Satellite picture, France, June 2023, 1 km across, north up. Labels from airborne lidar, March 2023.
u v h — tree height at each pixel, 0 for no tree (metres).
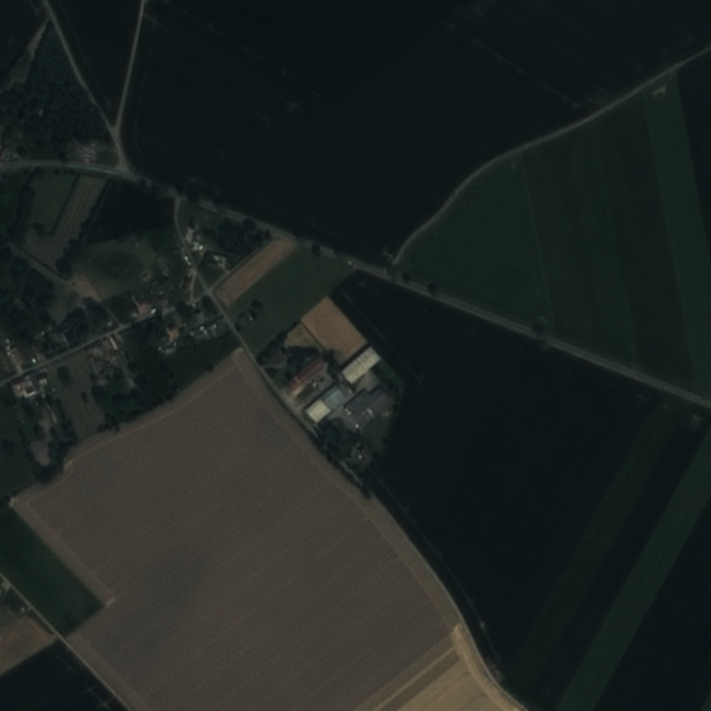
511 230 0
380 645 0
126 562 0
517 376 0
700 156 0
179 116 0
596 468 0
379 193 0
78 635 0
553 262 0
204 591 0
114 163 0
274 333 0
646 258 0
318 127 0
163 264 0
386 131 0
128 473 0
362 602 0
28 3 0
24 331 16
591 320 0
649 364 0
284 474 0
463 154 0
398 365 0
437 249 0
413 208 0
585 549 0
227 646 0
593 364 0
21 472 0
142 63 0
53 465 13
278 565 0
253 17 0
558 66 0
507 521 0
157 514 0
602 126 0
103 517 0
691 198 0
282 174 0
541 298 0
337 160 0
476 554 0
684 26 0
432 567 0
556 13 0
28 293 18
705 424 0
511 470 0
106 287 0
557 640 0
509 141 0
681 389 0
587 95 0
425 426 0
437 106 0
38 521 0
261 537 0
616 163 0
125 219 0
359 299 0
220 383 0
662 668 0
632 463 0
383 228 0
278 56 0
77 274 0
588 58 0
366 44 0
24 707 0
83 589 0
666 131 0
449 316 0
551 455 0
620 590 0
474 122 0
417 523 0
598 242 0
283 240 0
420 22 0
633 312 0
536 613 0
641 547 0
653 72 0
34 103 16
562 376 0
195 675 0
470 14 0
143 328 9
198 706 0
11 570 0
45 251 0
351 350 0
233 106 0
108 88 0
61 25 0
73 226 0
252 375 0
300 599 0
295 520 0
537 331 19
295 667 0
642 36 0
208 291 0
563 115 0
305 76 0
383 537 0
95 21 0
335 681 0
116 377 8
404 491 0
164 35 0
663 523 0
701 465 0
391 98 0
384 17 0
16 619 0
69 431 17
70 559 0
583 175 0
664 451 0
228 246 16
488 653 0
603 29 0
